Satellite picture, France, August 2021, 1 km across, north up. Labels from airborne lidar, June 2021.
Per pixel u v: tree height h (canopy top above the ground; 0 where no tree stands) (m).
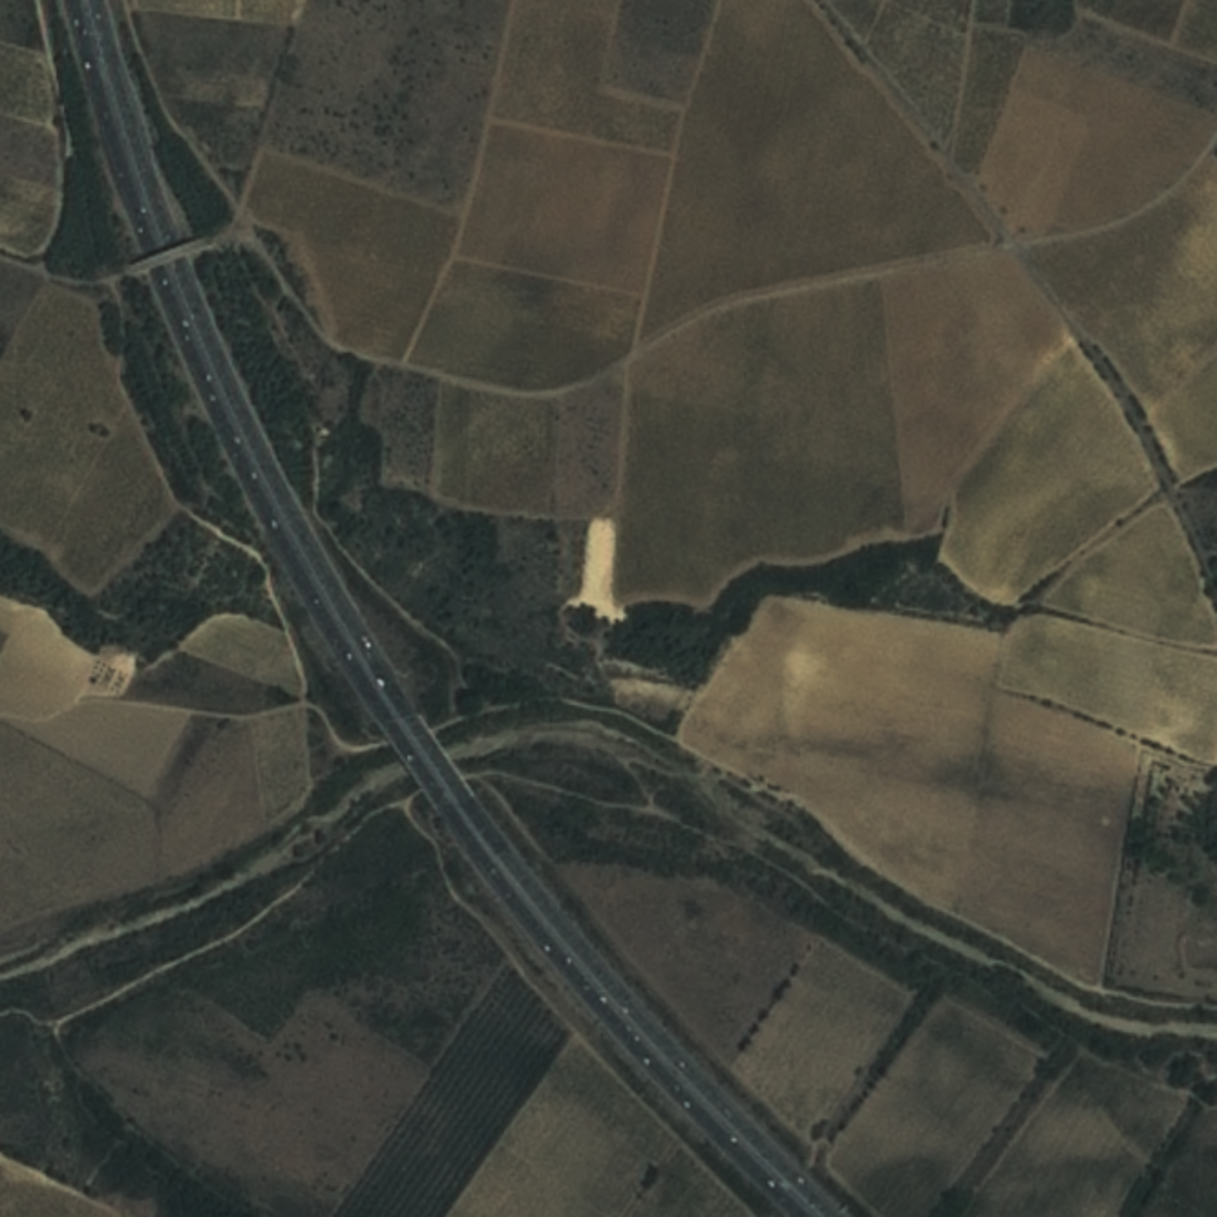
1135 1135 0
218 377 0
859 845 0
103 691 0
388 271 0
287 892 0
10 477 0
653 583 0
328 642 0
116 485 0
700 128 0
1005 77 0
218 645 0
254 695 0
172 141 10
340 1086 0
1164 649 0
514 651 0
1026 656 0
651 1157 0
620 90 0
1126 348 0
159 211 0
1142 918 0
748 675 0
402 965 0
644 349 0
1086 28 0
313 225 0
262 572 7
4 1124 0
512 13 0
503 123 0
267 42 0
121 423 0
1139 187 0
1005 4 0
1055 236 0
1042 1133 0
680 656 9
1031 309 0
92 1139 0
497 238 0
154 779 0
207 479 10
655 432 0
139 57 8
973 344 0
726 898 0
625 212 0
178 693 0
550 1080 0
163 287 0
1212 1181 0
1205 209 0
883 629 0
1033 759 0
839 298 0
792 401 0
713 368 0
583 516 0
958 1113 0
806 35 0
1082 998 6
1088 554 0
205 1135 0
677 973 0
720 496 0
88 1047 0
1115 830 0
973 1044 0
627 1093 0
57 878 0
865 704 0
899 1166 0
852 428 0
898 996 0
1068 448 0
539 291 0
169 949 6
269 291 10
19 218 0
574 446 0
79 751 0
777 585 7
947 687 0
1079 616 0
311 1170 0
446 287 0
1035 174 0
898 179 0
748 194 0
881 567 5
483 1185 0
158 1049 0
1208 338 0
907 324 0
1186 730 0
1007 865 0
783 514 0
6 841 0
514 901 0
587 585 0
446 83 0
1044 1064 10
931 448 0
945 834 0
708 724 0
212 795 0
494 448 0
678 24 0
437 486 0
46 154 0
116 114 0
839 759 0
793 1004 0
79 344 0
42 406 0
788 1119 0
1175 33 0
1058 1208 0
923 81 0
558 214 0
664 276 0
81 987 0
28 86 0
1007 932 0
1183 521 0
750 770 0
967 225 0
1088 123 0
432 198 0
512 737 0
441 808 0
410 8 0
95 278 10
